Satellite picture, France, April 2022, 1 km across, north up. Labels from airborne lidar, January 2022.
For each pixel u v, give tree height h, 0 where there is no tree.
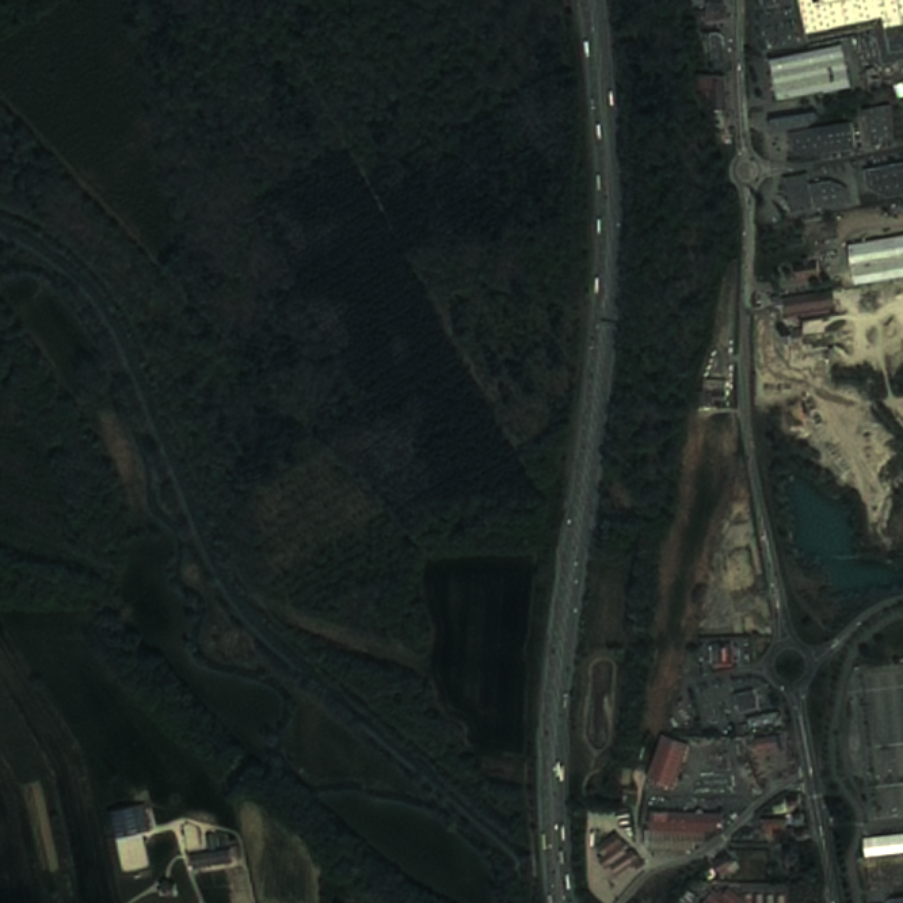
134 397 32
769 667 0
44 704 0
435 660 0
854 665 0
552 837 0
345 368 23
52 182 26
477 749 0
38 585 22
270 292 23
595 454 0
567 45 23
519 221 20
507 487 23
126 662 22
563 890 0
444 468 22
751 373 0
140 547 0
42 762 0
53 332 0
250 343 22
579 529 0
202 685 0
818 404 0
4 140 23
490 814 17
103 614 25
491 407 23
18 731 0
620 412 17
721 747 0
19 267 12
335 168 23
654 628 18
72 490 26
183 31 22
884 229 0
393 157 20
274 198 18
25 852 0
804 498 0
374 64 22
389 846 0
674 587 0
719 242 27
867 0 0
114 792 0
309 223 22
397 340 23
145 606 0
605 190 0
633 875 0
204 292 19
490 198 23
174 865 0
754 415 0
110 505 26
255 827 0
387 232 19
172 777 0
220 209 26
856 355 0
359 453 26
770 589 0
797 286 0
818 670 0
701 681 0
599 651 0
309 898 0
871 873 0
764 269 0
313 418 20
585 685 0
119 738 0
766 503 0
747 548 0
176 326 20
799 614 0
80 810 0
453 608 0
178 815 0
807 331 0
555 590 0
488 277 21
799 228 12
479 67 19
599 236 0
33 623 0
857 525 10
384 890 25
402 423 19
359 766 0
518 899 10
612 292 0
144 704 17
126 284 20
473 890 0
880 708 0
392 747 0
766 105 0
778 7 0
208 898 0
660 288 26
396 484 21
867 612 0
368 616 23
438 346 22
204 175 25
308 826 26
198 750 17
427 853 0
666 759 0
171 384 21
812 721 0
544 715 0
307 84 22
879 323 0
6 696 0
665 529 24
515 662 0
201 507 14
